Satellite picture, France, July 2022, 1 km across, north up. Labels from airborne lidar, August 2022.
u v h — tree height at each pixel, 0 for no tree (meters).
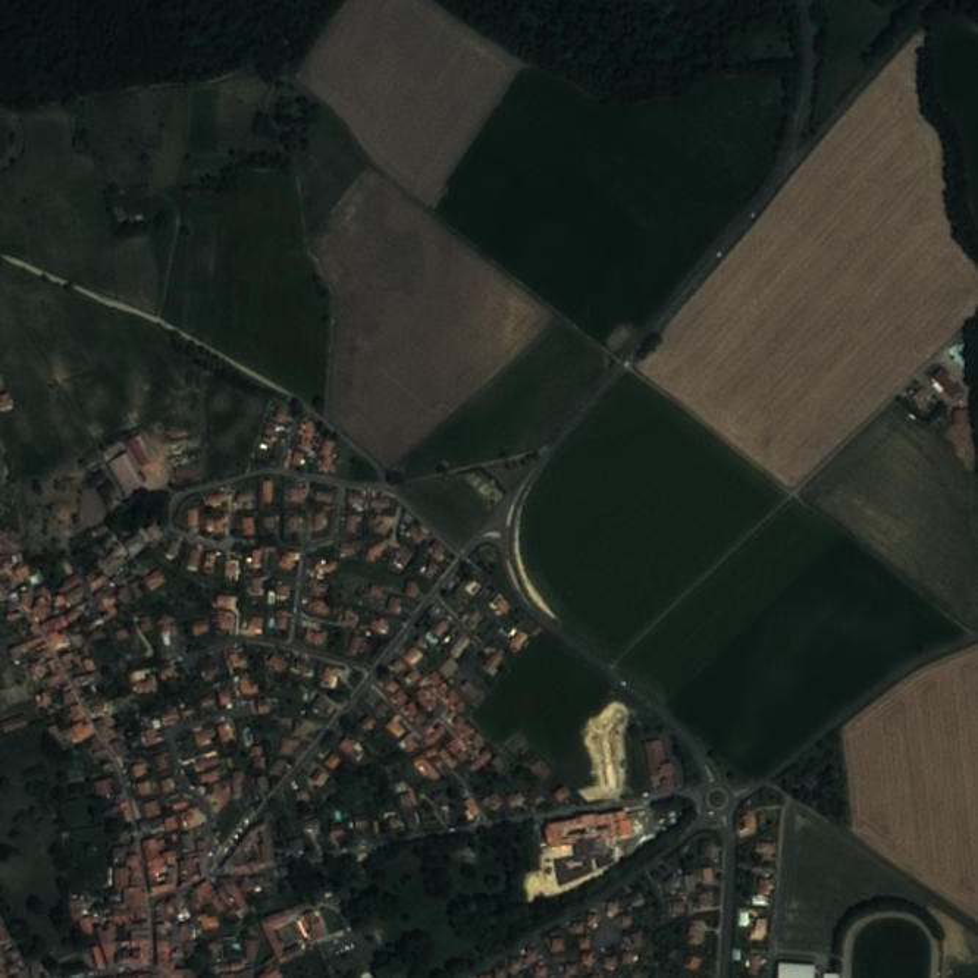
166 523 10
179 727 0
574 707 0
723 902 0
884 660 0
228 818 0
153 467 0
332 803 8
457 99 0
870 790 0
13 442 0
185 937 0
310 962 0
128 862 0
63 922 23
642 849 10
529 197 0
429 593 0
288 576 0
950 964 0
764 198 0
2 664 0
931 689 0
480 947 14
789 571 0
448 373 0
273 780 7
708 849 0
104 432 0
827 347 0
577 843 0
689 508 0
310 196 0
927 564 0
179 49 22
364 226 0
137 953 0
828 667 0
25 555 6
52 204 0
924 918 16
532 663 0
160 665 9
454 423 0
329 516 0
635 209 0
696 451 0
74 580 0
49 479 0
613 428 0
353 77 0
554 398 0
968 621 0
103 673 9
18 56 23
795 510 0
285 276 0
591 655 0
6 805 0
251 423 0
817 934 0
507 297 0
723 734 0
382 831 9
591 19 23
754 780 0
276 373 0
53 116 0
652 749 0
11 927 17
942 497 0
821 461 0
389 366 0
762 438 0
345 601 0
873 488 0
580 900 10
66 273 0
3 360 0
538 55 15
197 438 0
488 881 11
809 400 0
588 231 0
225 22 25
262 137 9
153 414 0
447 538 0
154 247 0
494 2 9
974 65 0
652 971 5
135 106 0
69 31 28
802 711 0
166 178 0
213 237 0
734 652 0
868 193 0
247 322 0
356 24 0
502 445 0
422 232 0
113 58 22
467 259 0
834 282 0
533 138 0
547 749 0
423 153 0
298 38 12
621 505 0
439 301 0
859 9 0
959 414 0
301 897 13
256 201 0
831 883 0
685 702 0
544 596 0
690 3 12
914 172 0
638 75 28
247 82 0
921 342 0
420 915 0
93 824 6
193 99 0
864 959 0
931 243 0
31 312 0
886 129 0
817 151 0
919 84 10
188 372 0
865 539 0
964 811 0
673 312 0
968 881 0
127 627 9
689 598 0
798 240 0
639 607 0
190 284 0
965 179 13
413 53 0
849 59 0
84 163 0
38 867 0
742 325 0
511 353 0
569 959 0
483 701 0
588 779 0
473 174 0
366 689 0
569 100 0
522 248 0
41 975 7
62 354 0
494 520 0
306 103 13
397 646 0
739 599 0
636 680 0
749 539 0
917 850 0
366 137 0
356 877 11
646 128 0
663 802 10
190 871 0
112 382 0
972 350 17
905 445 0
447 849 18
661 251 0
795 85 19
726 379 0
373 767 7
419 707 6
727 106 0
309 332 0
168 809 6
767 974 0
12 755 0
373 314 0
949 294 0
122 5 38
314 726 0
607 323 0
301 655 0
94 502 0
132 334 0
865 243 0
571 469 0
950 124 16
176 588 0
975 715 0
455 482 0
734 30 21
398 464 0
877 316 0
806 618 0
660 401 0
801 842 0
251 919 9
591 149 0
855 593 0
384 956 13
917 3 19
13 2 26
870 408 0
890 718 0
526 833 9
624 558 0
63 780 8
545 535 0
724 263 0
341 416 0
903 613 0
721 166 0
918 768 0
